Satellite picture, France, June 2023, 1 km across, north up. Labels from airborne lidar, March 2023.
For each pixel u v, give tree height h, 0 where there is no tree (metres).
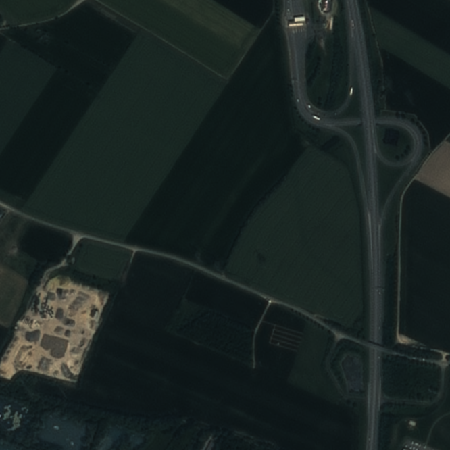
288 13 0
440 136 0
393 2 0
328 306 0
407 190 0
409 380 7
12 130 0
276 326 0
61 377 0
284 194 0
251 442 7
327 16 0
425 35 0
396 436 0
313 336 0
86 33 0
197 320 8
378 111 9
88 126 0
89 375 0
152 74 0
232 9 0
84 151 0
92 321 0
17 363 0
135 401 0
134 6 0
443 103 0
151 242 0
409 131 0
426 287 0
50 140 0
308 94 0
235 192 0
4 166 0
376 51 0
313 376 0
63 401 14
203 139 0
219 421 0
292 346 0
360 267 0
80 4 0
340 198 0
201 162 0
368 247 0
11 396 9
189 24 0
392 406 8
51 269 0
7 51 0
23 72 0
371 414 0
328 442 0
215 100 0
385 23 0
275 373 0
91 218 0
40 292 0
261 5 0
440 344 0
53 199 0
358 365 0
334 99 12
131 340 0
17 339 0
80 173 0
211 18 0
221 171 0
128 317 0
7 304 0
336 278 0
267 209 0
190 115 0
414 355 10
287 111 0
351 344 11
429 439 0
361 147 0
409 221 0
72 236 0
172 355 0
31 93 0
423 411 0
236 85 0
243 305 0
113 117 0
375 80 9
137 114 0
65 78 0
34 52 6
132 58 0
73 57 0
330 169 0
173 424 14
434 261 0
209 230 0
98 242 0
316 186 0
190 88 0
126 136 0
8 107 0
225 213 0
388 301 6
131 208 0
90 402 0
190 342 0
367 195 0
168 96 0
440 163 0
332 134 0
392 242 0
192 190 0
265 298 0
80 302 0
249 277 0
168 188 0
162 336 0
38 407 10
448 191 0
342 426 0
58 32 0
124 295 0
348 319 0
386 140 7
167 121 0
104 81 0
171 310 0
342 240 0
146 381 0
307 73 0
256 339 0
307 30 0
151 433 15
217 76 0
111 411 12
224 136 0
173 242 0
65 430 0
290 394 0
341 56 9
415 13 0
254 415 0
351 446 0
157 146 0
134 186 0
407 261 0
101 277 0
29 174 0
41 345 0
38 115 0
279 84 0
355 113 0
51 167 0
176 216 0
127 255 0
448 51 0
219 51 0
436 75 0
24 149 0
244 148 0
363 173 0
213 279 0
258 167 0
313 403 0
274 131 0
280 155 0
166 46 0
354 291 0
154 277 0
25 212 0
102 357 0
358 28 0
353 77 0
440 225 0
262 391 0
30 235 0
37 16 0
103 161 0
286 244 0
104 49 0
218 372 0
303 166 0
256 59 0
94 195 0
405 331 0
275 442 0
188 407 0
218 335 8
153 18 0
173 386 0
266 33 0
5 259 0
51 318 0
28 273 0
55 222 0
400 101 0
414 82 0
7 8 0
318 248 0
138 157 0
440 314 0
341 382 7
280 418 0
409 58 0
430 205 0
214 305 0
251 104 0
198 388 0
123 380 0
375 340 0
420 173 0
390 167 0
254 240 0
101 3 0
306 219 0
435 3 0
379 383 0
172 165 0
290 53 0
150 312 0
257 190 0
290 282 0
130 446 12
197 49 0
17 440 15
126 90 0
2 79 0
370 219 0
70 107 0
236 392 0
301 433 0
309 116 0
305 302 0
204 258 0
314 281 0
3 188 0
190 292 0
